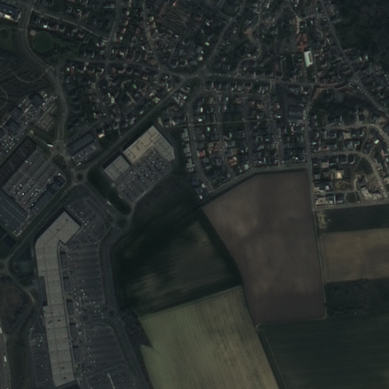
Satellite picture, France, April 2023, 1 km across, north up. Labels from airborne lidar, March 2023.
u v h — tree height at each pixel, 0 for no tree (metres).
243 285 0
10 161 0
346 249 0
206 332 0
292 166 0
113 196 0
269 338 0
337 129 0
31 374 0
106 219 0
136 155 0
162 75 0
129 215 0
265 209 0
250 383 0
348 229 0
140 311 0
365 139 0
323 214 0
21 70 0
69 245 0
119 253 0
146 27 0
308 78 0
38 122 0
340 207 0
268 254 0
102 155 0
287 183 0
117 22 0
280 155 0
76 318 0
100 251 0
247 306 0
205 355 0
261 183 0
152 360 0
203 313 0
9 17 0
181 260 0
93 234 0
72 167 0
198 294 0
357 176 0
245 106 0
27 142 0
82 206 0
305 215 0
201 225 0
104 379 0
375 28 28
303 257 0
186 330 0
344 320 0
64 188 0
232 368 0
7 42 0
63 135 0
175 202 0
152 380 0
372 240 0
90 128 0
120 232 0
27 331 0
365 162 0
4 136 0
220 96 0
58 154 0
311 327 0
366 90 0
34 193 0
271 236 0
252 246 0
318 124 0
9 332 0
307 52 0
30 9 0
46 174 0
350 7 0
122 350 0
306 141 0
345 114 0
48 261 0
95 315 0
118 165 0
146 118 0
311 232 0
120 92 9
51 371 0
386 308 0
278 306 0
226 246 0
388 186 0
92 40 8
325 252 0
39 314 0
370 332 0
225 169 0
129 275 0
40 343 0
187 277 0
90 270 0
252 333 0
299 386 0
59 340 0
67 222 0
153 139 0
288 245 0
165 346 0
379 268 0
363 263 0
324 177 0
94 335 0
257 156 0
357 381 0
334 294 0
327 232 0
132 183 0
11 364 0
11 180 0
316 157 0
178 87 0
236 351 0
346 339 0
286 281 0
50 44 0
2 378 0
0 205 0
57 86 0
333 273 0
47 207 0
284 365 0
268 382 0
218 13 12
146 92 0
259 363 0
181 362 0
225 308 0
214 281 0
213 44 20
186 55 0
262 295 0
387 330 0
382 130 0
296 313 0
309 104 0
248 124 0
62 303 0
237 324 0
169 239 0
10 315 0
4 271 0
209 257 0
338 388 0
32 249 0
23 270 0
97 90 0
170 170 0
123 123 0
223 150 0
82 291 0
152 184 0
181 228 0
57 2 0
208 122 0
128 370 0
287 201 0
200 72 0
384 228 0
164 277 0
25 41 0
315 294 0
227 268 0
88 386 0
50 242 0
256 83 0
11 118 0
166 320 0
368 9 21
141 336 6
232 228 0
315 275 0
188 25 13
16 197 0
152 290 0
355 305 0
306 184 0
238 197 0
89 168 0
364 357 0
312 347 0
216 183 0
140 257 0
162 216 0
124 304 0
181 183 0
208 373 0
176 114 0
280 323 0
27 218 0
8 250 0
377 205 0
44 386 0
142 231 0
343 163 0
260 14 0
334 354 0
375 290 0
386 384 0
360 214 0
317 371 0
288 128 0
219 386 0
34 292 0
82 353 0
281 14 0
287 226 0
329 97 0
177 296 0
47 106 0
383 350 0
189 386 0
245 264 0
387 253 0
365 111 0
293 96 12
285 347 0
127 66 0
